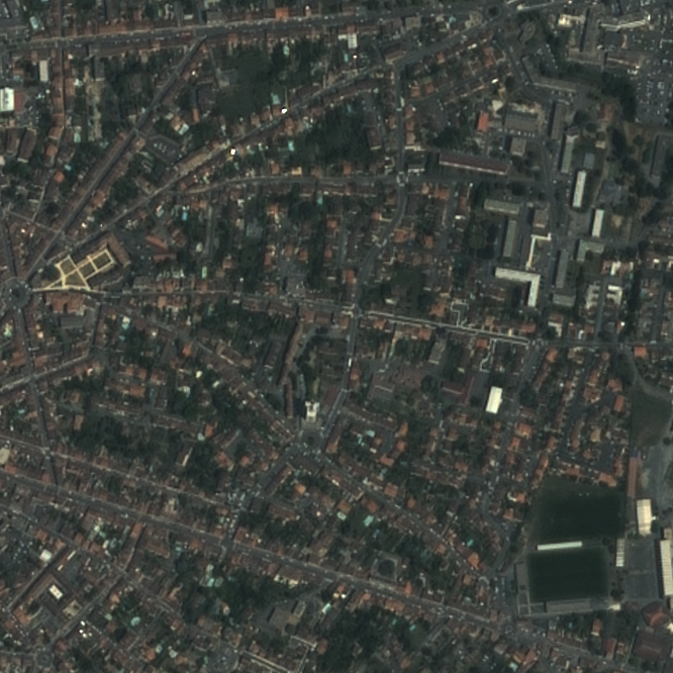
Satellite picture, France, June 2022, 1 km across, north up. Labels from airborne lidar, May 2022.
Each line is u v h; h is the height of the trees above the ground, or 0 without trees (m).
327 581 0
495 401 0
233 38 0
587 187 7
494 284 0
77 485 0
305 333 0
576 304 12
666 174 8
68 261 0
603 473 0
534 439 7
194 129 7
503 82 7
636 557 0
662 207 16
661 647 0
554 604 0
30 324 0
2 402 0
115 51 0
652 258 0
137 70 17
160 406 0
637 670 0
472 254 9
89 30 0
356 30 0
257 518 9
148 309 6
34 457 0
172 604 0
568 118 0
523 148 0
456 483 0
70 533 0
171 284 0
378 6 7
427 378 8
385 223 0
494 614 0
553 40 15
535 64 16
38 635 0
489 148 0
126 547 0
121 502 0
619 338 6
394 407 0
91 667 7
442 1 18
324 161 7
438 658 7
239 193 0
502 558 0
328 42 0
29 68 13
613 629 0
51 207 10
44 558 0
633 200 8
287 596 14
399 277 0
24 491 0
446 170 10
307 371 15
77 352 0
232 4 13
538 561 0
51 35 0
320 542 0
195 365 5
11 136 0
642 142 9
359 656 8
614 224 0
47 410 0
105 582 0
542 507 0
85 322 0
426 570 8
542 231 0
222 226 12
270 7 0
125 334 7
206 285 0
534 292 0
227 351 0
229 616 9
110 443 6
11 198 7
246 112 0
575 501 0
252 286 7
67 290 0
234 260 6
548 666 0
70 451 0
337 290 8
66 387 8
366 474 0
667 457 0
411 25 0
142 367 6
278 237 0
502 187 8
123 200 6
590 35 0
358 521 0
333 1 0
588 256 9
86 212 0
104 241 0
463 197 0
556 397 7
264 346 10
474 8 0
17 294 6
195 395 8
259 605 8
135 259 8
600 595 0
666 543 0
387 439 0
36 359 0
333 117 7
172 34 0
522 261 0
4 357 15
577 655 0
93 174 0
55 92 0
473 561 0
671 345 0
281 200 7
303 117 0
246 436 6
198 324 7
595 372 0
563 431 8
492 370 6
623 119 6
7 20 0
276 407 16
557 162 0
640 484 0
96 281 0
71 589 0
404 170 6
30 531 0
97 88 0
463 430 0
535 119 0
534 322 7
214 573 10
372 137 0
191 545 0
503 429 8
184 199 0
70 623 0
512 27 0
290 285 0
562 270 0
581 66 13
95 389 8
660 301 0
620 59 0
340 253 0
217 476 11
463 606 0
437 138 7
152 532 0
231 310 12
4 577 7
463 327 6
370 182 0
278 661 0
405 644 6
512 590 8
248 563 0
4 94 0
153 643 12
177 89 0
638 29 0
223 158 0
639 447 0
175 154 0
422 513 0
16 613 0
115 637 8
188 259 5
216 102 8
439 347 0
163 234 0
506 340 0
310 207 14
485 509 0
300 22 0
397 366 0
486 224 13
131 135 0
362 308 8
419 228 6
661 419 0
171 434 8
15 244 0
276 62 10
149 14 10
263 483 0
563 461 0
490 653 9
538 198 8
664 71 0
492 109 0
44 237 0
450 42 0
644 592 0
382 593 0
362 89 0
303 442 0
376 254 0
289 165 5
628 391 11
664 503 0
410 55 0
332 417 0
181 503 11
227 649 0
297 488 0
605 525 0
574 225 0
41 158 10
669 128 12
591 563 0
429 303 18
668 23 0
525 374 0
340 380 6
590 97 11
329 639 10
